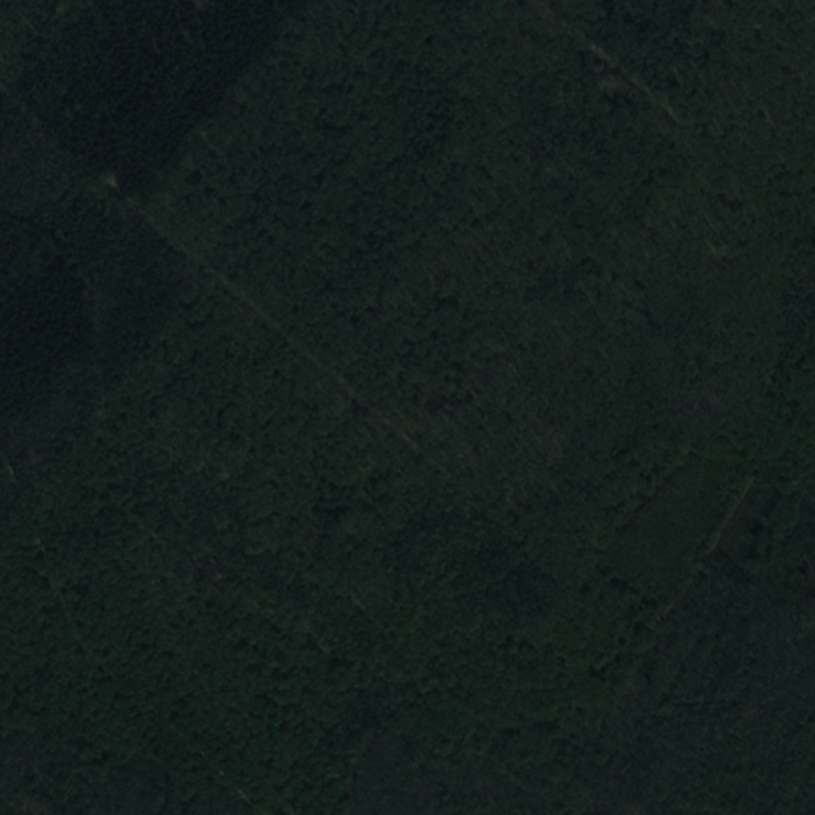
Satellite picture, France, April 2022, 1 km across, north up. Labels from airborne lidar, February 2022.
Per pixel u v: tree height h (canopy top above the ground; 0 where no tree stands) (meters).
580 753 19
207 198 27
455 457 24
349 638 24
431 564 23
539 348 25
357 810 22
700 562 18
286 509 24
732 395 27
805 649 23
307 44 25
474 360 19
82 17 18
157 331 23
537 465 25
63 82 19
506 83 25
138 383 23
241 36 22
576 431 25
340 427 24
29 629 28
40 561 24
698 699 18
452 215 24
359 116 25
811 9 25
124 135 19
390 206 25
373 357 25
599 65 25
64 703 20
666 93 28
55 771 19
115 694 25
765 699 19
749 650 21
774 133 27
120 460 18
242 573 23
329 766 26
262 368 24
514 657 20
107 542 25
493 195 26
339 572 24
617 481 26
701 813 18
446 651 21
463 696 26
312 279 27
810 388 31
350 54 24
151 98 25
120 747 25
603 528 27
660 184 24
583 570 23
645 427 26
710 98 27
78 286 29
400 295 25
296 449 27
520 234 25
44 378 19
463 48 26
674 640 15
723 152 28
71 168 20
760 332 27
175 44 30
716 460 15
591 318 23
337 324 27
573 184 26
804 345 28
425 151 15
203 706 26
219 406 26
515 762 21
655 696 25
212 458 22
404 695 24
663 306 28
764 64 26
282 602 26
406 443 22
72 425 18
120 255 23
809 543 16
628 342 24
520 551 18
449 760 23
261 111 26
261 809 22
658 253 24
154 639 23
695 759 17
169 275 13
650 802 16
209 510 18
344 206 24
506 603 20
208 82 25
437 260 27
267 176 31
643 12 24
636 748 16
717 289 27
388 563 22
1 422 18
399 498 22
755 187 28
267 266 28
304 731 26
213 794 24
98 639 24
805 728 19
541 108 25
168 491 18
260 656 23
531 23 26
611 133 25
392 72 23
